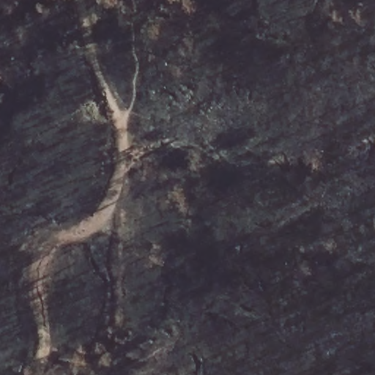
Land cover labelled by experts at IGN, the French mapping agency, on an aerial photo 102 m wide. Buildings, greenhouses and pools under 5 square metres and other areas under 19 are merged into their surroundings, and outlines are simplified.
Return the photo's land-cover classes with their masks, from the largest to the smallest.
<instances>
[{"label":"bare soil","instance_id":"1","mask_svg":"<svg viewBox=\"0 0 375 375\"><path fill-rule=\"evenodd\" d=\"M334 0H212L214 18L198 26L195 40L212 60L223 62L224 81L220 88H217L208 79L202 78L196 85L192 79L185 78L180 72V67H177L174 60L168 56L166 48L161 50L160 57L154 62L146 59L138 31L142 28V19L151 12L146 0H130L129 13H120L117 7L105 6L97 3V0H51L47 7V16L40 13L38 18L26 23L23 35L25 38L22 42L13 35L12 18L0 13V53L4 59V75L13 82L9 101L15 105L18 113L13 120L12 130L0 129V375H375V9L366 10L356 22L346 23L343 29L331 32L324 22L322 6L333 3ZM135 66H139V78L136 83L135 107L127 120L129 146L125 151H120L113 111L108 107L103 86L98 82L95 73L103 72L111 94L117 92L120 98L123 94L132 92ZM120 164H126L129 170L126 173L129 177V189L122 187V195L111 215L110 230L95 231L83 240L64 243L47 265V271L53 272L51 283L44 284L50 322V354L38 357L40 334L34 308L31 306V296L26 299L22 297V294L34 289L31 265L37 258L34 253L21 250L22 243H25L26 237L34 236L35 230L50 226L51 221H57L63 224L64 229L69 230L100 211V204L107 198L111 180Z\"/></svg>","mask_w":375,"mask_h":375},{"label":"coniferous trees","instance_id":"2","mask_svg":"<svg viewBox=\"0 0 375 375\"><path fill-rule=\"evenodd\" d=\"M51 0H0V13L12 18L13 35L22 42L25 38L23 35L26 23L38 18L40 13L47 16V7ZM97 3L105 6L117 7L120 13H129L130 0H97ZM151 12L142 19V28L138 31L146 59L154 62L160 57L161 50L166 48L168 56L174 60L177 67H180V72L185 78L192 79L196 85L202 78L208 79L217 88H220L224 81L223 62L212 60L195 40L198 26L214 18L212 0H146ZM375 9V0H334L333 3L322 6L324 22L331 32L343 29L346 23L356 22L366 10ZM13 82L4 75V59L0 53V129L12 130L13 120L18 113L15 105L9 101Z\"/></svg>","mask_w":375,"mask_h":375},{"label":"pervious surface","instance_id":"3","mask_svg":"<svg viewBox=\"0 0 375 375\"><path fill-rule=\"evenodd\" d=\"M98 82L103 86L108 107L113 111L120 151H125L129 146L127 120L135 107L136 83L139 78V66H135L132 92L123 94L120 98L117 92L111 94L103 72L95 73ZM129 170L126 164H120L111 180L107 198L100 204V211L69 230L64 229L63 224L57 221H51L50 226L35 230L34 236L26 237L25 243H22L21 250L34 253L37 258L31 265L34 289L22 294V297L26 299L31 296V306L34 308L40 334L38 357L50 354V322L44 284L51 283L53 272L47 271V265L64 243L83 240L95 231L110 230L111 215L122 195V187L129 189V177L126 173Z\"/></svg>","mask_w":375,"mask_h":375}]
</instances>
